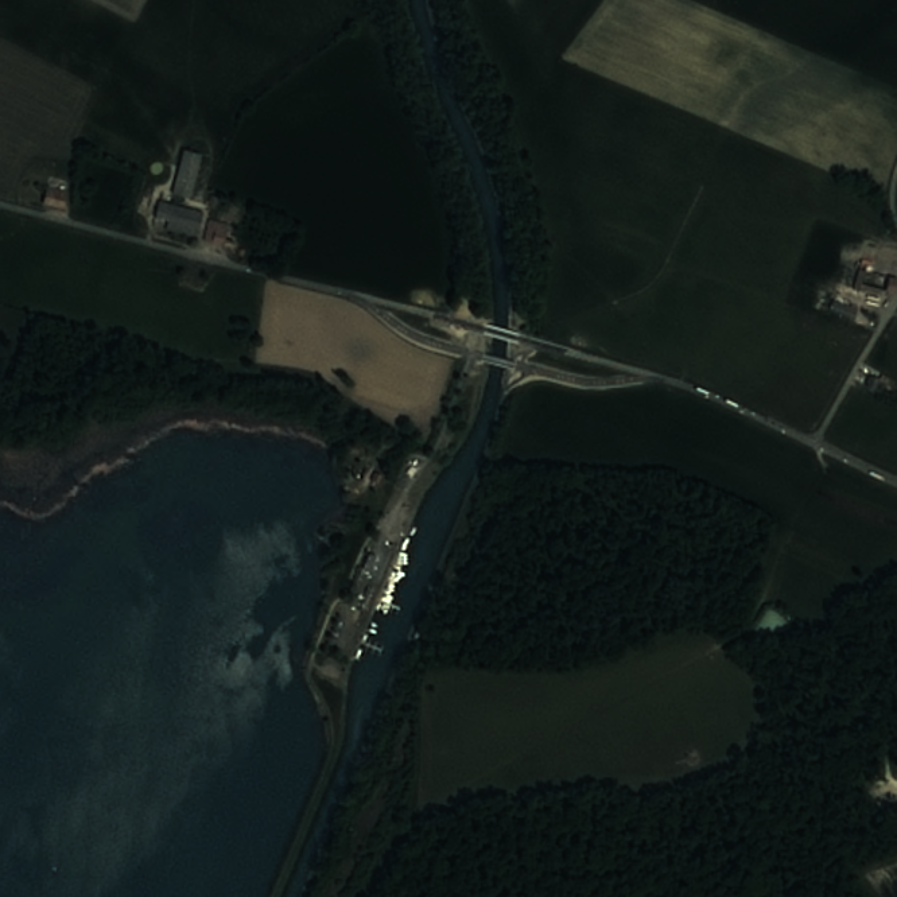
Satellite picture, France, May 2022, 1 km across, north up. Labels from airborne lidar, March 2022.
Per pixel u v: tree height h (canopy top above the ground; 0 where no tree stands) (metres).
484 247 18
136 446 0
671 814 25
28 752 0
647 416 0
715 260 0
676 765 0
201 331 0
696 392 0
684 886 24
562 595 18
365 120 0
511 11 0
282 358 0
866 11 0
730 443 0
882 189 15
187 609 0
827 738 24
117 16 0
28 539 0
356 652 0
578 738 0
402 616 0
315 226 0
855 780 25
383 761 16
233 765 0
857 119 0
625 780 0
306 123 0
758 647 21
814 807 23
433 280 0
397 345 0
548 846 26
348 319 0
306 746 0
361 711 0
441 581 17
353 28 16
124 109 0
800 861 19
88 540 0
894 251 0
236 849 0
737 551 18
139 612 0
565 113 0
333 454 14
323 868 20
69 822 0
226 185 0
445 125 19
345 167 0
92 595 0
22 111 0
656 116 0
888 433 0
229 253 0
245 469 0
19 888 0
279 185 0
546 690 0
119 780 0
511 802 16
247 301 0
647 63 0
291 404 18
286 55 0
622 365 0
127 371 22
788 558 0
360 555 0
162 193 0
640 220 0
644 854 23
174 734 0
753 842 25
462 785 0
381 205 0
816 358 0
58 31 0
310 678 0
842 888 22
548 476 21
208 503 0
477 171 0
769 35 0
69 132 0
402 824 19
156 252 0
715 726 0
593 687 0
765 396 0
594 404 0
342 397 23
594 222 0
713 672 0
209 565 0
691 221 0
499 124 17
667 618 16
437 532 0
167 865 0
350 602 13
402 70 22
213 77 0
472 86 23
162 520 0
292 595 0
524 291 15
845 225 0
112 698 0
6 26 0
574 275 0
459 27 19
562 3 0
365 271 0
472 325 0
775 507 0
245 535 0
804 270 0
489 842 24
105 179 0
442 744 0
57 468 0
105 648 0
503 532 21
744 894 25
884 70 0
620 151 0
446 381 0
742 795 25
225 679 0
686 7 0
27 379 18
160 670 0
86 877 0
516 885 24
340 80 0
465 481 0
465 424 8
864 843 26
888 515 0
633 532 24
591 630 23
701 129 0
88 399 26
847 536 0
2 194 0
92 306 0
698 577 23
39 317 13
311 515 0
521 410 0
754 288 0
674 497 21
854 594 22
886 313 0
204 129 0
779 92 0
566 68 0
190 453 0
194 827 0
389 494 0
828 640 25
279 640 0
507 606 25
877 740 19
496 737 0
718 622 19
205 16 0
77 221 0
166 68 0
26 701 0
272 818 0
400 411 0
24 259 0
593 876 23
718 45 0
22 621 0
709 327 0
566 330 0
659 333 0
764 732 16
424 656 18
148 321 0
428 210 0
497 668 19
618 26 0
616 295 0
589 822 22
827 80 0
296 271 0
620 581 23
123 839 0
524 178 25
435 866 25
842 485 0
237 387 23
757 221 0
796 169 0
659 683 0
